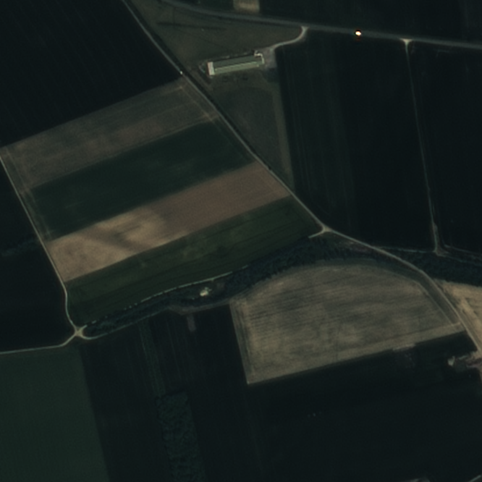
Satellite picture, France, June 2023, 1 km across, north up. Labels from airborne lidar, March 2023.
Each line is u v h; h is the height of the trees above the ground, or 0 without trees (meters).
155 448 0
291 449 0
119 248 0
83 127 0
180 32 0
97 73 0
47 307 0
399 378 0
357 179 0
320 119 0
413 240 0
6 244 0
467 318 0
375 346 0
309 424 0
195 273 0
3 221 0
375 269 0
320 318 0
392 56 0
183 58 0
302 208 0
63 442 0
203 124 0
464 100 0
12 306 0
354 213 0
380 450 0
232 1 0
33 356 0
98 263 0
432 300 0
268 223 0
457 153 0
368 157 0
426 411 0
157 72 0
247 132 0
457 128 0
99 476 0
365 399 0
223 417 0
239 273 9
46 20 0
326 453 0
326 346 0
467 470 0
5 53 0
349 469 0
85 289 0
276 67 0
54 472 0
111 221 0
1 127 0
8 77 0
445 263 16
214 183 0
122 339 0
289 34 0
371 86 0
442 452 0
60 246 0
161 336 0
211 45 0
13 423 0
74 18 0
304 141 0
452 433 0
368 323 0
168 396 11
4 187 0
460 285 0
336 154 0
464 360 0
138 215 0
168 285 0
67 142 0
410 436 0
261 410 0
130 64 0
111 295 0
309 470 0
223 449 0
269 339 0
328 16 0
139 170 0
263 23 0
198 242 0
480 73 0
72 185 0
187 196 0
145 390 0
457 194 0
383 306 0
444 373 0
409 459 0
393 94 0
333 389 0
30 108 0
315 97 0
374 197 0
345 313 0
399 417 0
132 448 0
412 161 0
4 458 0
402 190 0
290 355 0
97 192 0
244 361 0
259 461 0
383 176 0
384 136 0
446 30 0
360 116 0
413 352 0
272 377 0
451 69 0
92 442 0
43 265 0
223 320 0
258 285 0
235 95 0
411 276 0
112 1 0
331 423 0
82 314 0
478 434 0
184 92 0
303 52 0
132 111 0
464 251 0
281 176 0
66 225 0
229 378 0
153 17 0
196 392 0
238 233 0
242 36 0
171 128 0
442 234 0
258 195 0
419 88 0
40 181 0
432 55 0
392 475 0
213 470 0
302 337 0
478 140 0
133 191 0
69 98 0
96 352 0
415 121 0
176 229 0
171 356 0
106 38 0
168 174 0
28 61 0
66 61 0
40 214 0
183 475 19
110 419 0
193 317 0
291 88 0
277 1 0
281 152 0
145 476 0
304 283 0
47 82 0
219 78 0
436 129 0
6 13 0
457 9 0
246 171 0
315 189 0
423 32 0
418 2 0
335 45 0
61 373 0
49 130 0
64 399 0
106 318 9
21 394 0
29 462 0
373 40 0
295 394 0
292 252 14
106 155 0
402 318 0
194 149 0
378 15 0
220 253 0
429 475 0
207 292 0
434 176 0
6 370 0
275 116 0
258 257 0
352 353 0
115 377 0
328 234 0
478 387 0
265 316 0
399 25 0
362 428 0
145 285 0
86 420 0
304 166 0
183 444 13
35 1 0
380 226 0
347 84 0
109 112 0
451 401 0
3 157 0
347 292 0
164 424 14
